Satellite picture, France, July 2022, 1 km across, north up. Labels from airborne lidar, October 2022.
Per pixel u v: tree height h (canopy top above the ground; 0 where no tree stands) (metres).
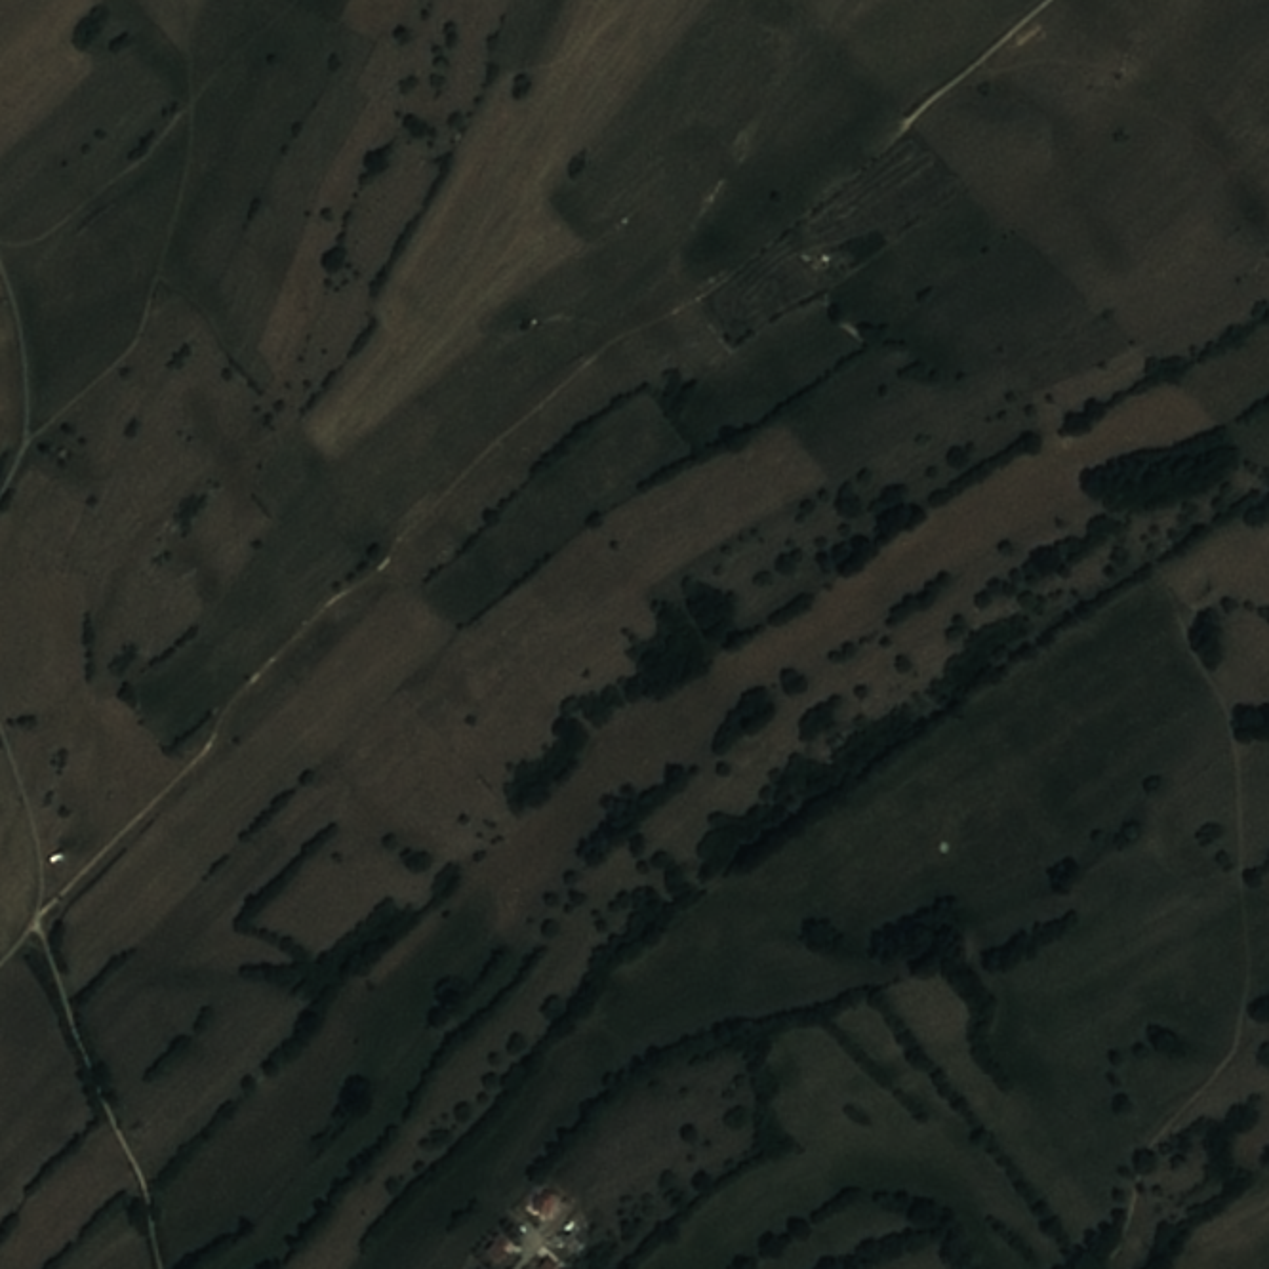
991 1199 0
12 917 0
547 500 0
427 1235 0
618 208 0
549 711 0
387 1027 0
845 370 7
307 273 0
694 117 0
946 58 0
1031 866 0
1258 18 0
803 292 0
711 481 0
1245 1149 0
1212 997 0
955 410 0
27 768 0
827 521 0
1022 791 0
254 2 0
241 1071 0
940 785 0
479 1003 0
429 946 0
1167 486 7
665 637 7
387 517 0
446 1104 0
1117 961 0
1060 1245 8
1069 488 0
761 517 0
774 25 0
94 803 0
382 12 0
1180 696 0
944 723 17
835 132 0
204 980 0
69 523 0
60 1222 0
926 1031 0
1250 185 0
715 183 0
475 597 0
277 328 0
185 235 0
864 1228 0
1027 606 9
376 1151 8
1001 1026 0
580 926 0
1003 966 15
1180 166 0
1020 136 0
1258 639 0
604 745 0
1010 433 0
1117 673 0
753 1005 0
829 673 0
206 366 0
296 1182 0
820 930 17
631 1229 7
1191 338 0
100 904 0
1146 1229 0
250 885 0
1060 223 0
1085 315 0
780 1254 14
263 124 0
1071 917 7
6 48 0
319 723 0
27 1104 0
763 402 0
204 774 0
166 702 0
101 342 0
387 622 0
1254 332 6
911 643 0
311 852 8
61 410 0
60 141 0
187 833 0
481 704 0
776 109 0
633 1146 0
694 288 0
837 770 11
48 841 0
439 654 0
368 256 0
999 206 0
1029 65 0
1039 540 0
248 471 0
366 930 7
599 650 0
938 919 9
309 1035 15
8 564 0
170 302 0
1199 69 0
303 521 0
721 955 0
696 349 0
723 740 8
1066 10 0
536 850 0
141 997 0
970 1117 6
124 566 0
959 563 0
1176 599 0
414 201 0
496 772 0
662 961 0
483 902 0
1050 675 0
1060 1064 0
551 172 0
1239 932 0
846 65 0
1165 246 0
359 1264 0
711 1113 0
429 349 0
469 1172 0
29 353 0
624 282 0
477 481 0
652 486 6
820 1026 15
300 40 0
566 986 0
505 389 0
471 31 0
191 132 0
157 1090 0
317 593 0
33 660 0
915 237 0
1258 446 0
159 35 0
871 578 0
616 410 6
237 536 0
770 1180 0
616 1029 0
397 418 0
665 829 0
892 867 0
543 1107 0
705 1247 0
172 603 0
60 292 0
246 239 0
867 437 0
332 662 0
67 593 0
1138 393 7
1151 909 0
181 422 0
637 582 0
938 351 0
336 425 0
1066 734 0
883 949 14
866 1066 8
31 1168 0
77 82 0
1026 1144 0
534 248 0
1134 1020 0
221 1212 0
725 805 0
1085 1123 0
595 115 0
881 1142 0
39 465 0
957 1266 17
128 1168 0
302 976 8
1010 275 0
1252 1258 0
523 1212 0
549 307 0
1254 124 0
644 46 0
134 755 0
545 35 0
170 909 0
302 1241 8
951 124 0
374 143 0
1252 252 0
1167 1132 0
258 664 0
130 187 0
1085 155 0
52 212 0
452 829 0
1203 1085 0
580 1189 0
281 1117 0
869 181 0
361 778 0
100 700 0
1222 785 0
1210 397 0
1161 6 0
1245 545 0
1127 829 8
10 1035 0
